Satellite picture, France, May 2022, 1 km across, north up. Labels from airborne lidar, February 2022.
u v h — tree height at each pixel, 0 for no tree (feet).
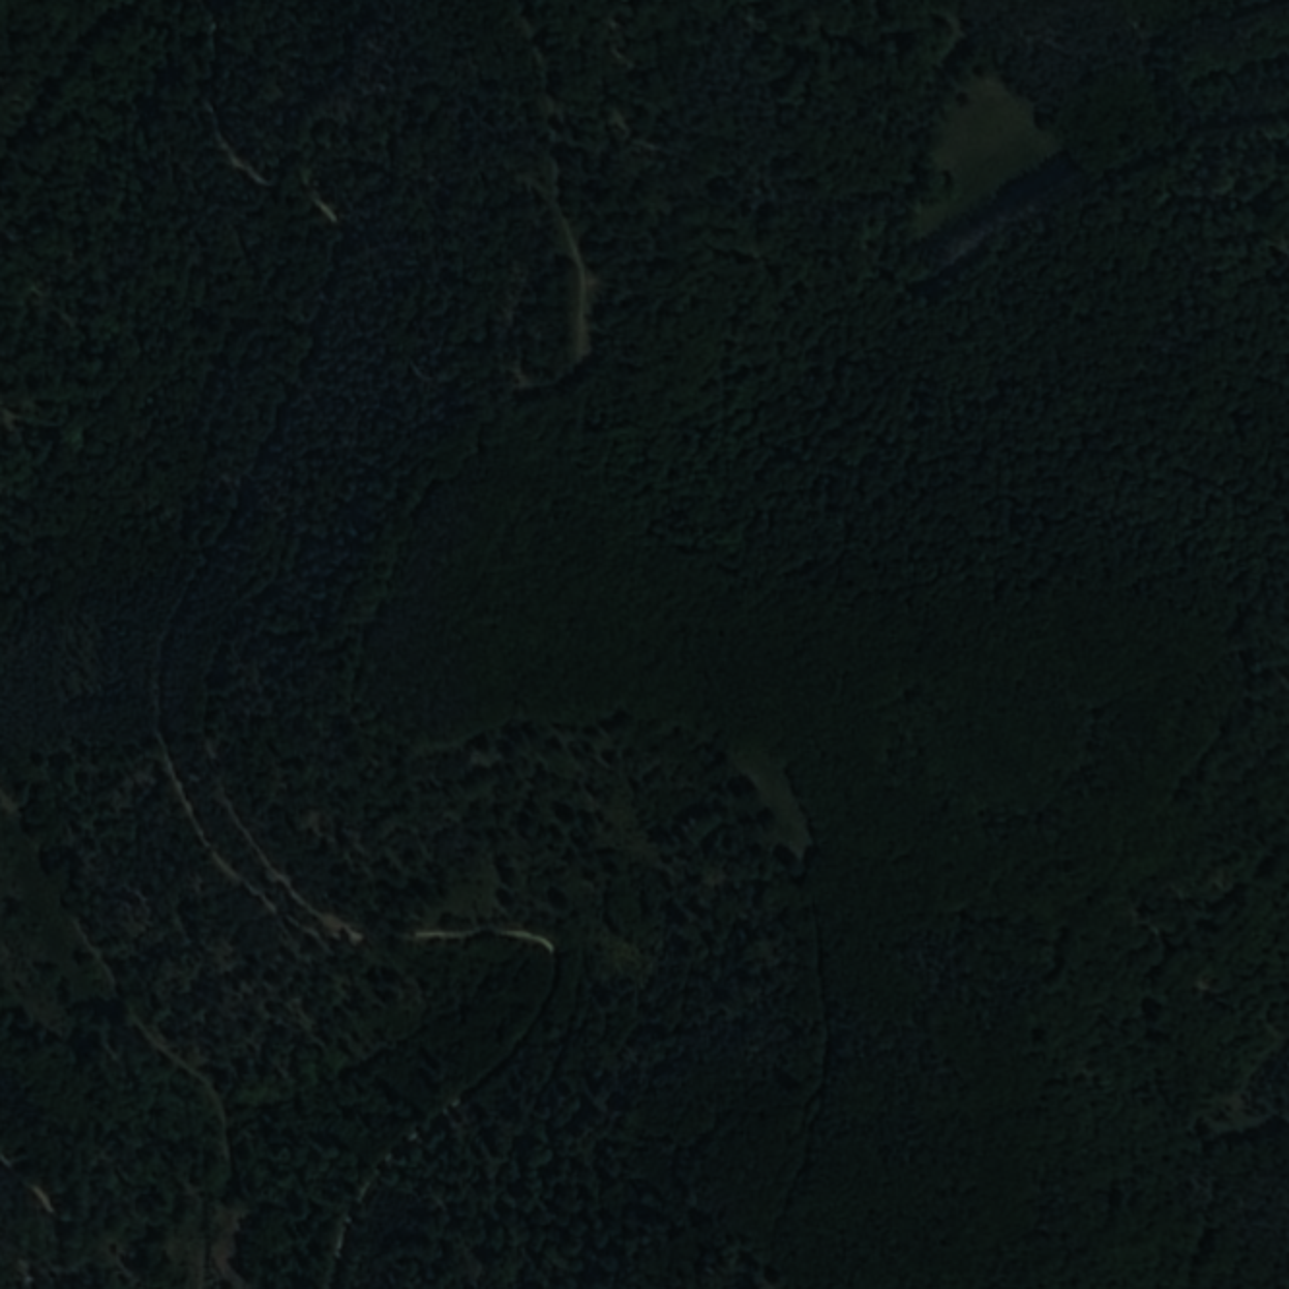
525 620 61
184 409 99
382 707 53
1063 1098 68
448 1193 70
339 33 69
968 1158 67
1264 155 98
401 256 92
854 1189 72
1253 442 87
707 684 51
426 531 59
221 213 118
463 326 67
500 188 72
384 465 96
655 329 80
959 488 105
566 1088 32
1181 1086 72
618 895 35
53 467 99
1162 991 82
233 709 89
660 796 29
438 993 33
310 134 96
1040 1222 64
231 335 97
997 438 90
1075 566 79
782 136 96
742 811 36
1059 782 44
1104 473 90
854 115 101
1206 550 97
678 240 93
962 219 0
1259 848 83
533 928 35
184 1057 21
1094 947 101
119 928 34
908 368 102
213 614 66
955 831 41
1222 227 80
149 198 105
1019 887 59
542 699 50
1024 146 0
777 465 102
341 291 87
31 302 120
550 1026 77
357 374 104
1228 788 63
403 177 87
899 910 59
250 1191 110
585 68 81
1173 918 77
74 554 65
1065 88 57
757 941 66
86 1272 112
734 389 96
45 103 102
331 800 32
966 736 47
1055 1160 55
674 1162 22
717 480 105
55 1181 76
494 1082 29
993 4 52
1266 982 104
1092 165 59
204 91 92
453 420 85
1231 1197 59
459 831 35
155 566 60
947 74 42
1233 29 84
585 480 71
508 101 77
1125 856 57
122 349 100
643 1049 36
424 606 56
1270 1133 60
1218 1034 89
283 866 33
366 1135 28
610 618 52
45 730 65
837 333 98
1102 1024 84
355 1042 122
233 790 40
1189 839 85
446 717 60
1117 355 84
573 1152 84
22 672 64
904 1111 65
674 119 82
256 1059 23
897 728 39
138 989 28
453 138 38
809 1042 28
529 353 57
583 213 66
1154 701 49
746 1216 33
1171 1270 65
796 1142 33
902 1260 56
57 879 57
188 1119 98
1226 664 56
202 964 94
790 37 88
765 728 51
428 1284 92
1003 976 68
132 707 65
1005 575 81
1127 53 57
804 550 76
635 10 73
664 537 74
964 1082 73
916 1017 76
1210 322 65
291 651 85
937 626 78
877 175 91
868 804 57
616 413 74
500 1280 75
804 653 69
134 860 44
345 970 49
